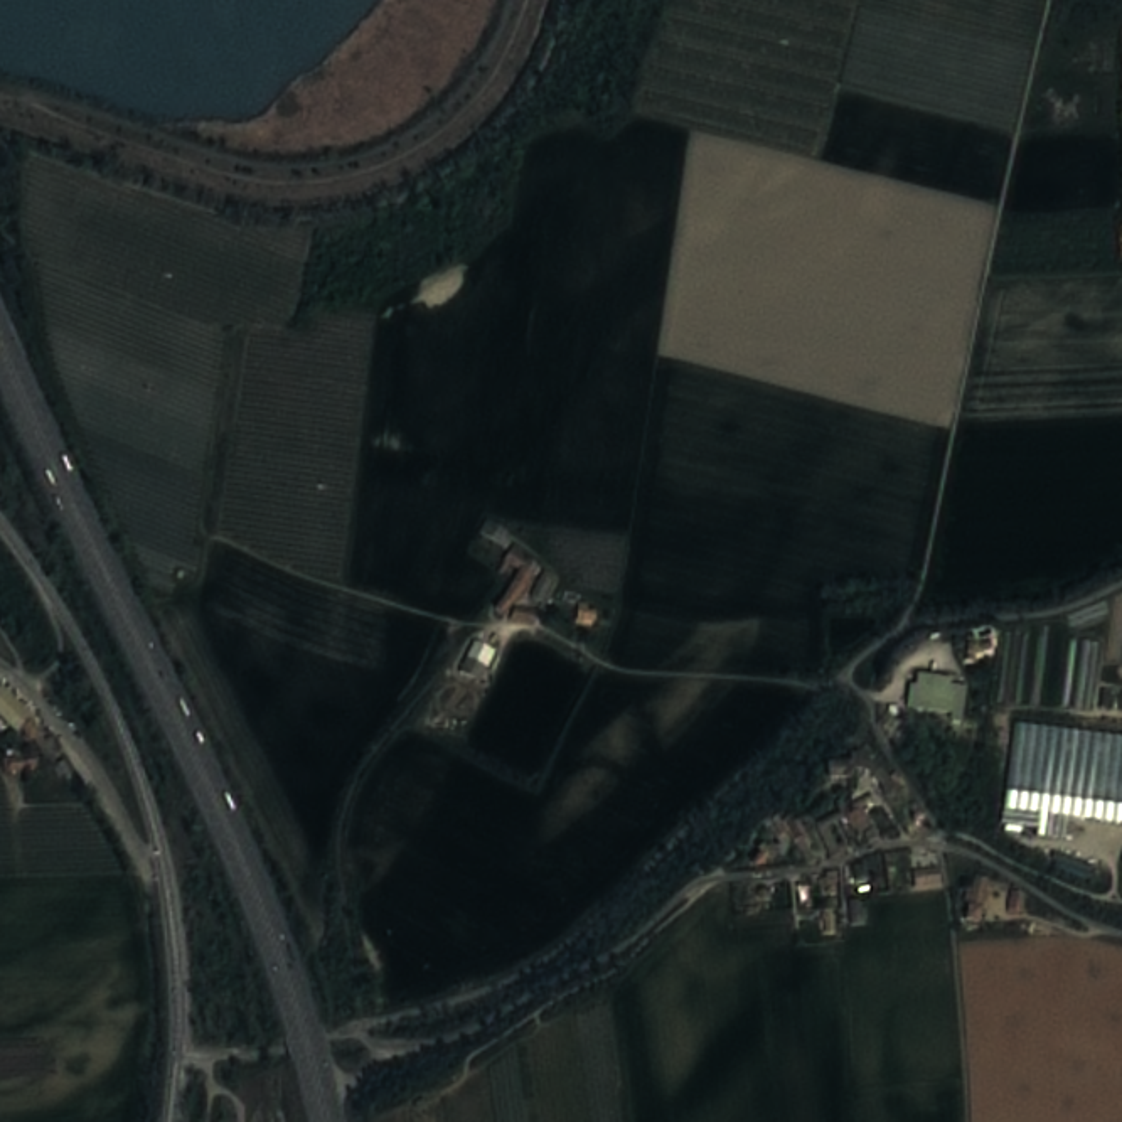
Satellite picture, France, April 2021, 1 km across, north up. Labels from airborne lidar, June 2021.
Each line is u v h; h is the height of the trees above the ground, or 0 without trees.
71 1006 0
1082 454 0
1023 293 0
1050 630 0
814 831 6
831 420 0
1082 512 0
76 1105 0
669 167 0
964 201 0
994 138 0
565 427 0
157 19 0
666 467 0
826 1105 0
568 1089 0
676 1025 0
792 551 0
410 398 0
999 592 0
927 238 0
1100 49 0
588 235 0
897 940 0
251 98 0
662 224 0
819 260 0
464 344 0
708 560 0
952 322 0
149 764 12
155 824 0
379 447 0
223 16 0
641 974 0
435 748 0
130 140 0
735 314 0
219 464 0
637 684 0
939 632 10
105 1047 0
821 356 0
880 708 8
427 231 8
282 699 0
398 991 0
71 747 0
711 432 0
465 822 0
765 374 0
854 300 0
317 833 0
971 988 0
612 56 19
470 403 0
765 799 12
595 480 0
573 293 0
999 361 0
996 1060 0
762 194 0
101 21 0
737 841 11
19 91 0
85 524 0
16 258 11
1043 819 0
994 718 0
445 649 11
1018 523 0
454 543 0
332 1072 0
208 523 0
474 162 11
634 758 0
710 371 0
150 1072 14
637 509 0
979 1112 0
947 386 0
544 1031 0
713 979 0
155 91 0
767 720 0
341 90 0
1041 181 0
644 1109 0
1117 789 0
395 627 0
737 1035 0
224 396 0
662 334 0
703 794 0
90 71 0
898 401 0
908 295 0
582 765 0
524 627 0
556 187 0
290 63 0
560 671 0
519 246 0
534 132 11
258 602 0
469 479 0
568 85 14
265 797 0
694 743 0
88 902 0
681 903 0
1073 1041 0
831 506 0
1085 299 0
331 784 0
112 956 0
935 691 0
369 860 0
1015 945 0
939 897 0
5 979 0
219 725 0
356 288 7
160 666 0
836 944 0
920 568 0
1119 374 0
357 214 19
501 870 0
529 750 0
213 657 0
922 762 23
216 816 0
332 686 0
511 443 0
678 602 0
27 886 0
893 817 10
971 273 0
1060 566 0
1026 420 0
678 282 0
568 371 0
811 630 0
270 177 0
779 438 0
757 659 0
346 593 0
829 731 15
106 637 12
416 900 0
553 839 0
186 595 0
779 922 0
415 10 0
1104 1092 0
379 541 0
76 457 9
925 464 0
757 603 0
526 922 0
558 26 16
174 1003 0
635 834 0
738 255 0
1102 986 0
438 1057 11
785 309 0
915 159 0
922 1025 0
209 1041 8
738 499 0
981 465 0
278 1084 0
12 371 0
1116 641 0
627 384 0
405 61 0
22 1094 0
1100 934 0
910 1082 0
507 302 0
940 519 0
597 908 0
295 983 0
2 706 0
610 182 0
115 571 0
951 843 11
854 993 0
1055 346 0
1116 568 11
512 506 0
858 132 0
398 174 0
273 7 0
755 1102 0
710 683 0
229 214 14
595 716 0
